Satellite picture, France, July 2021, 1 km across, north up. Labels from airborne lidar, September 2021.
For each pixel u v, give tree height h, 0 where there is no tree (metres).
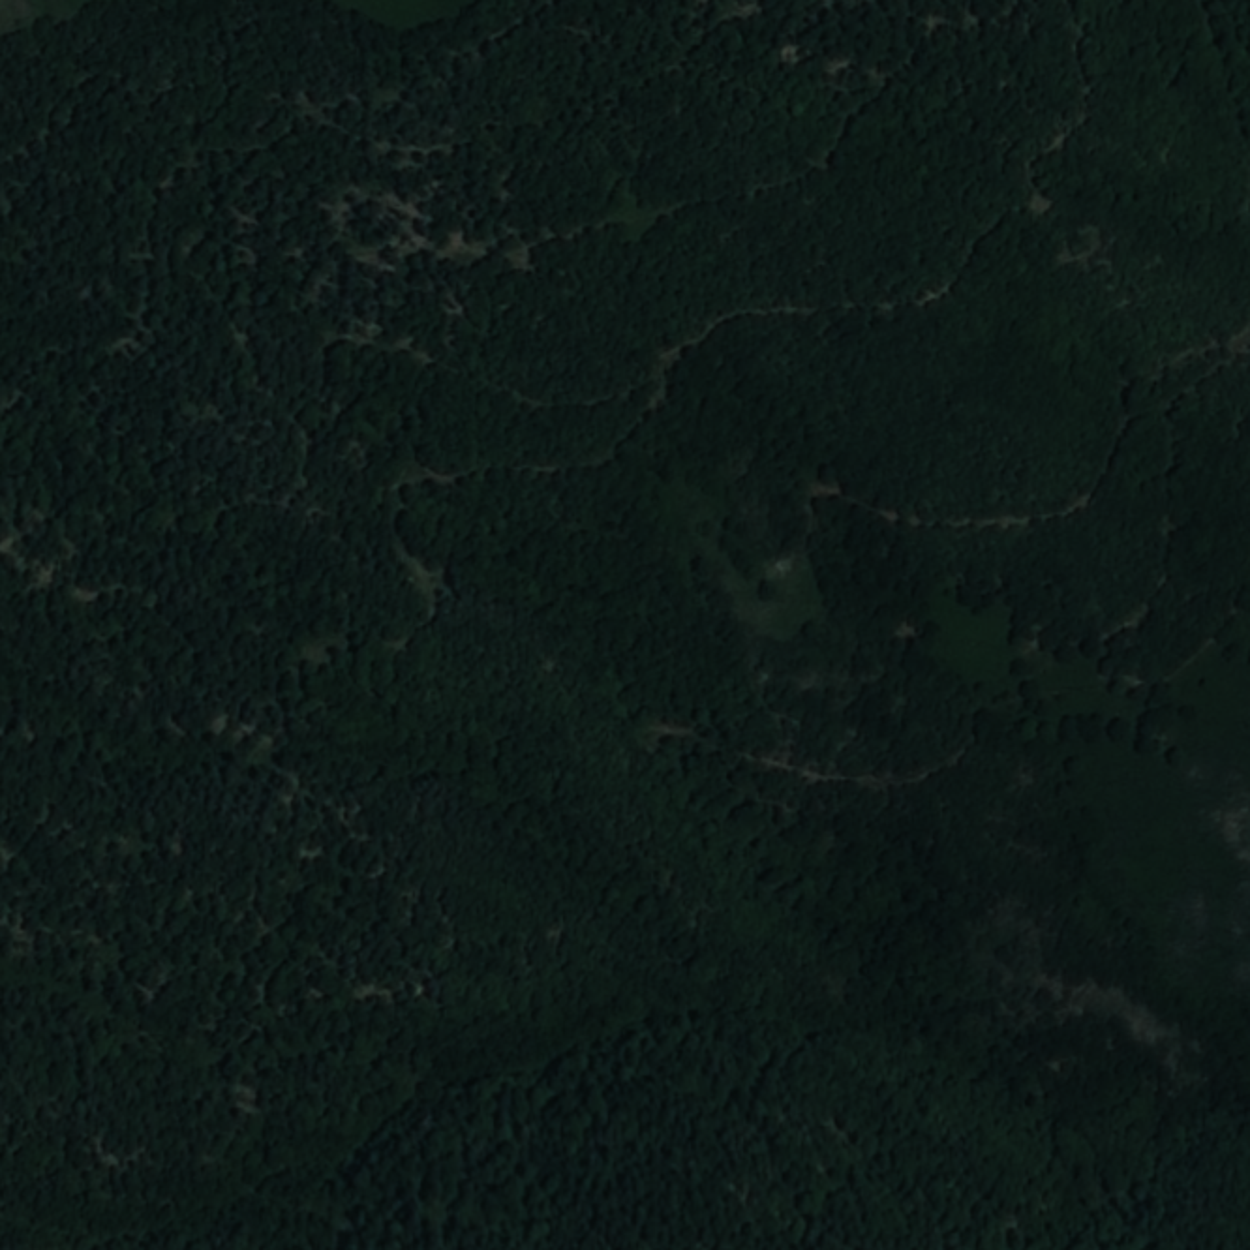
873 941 8
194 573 26
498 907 13
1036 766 10
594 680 18
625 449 23
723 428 16
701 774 25
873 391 21
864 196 18
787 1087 18
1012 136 19
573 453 17
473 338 21
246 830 20
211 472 25
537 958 23
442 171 24
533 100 23
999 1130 19
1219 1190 17
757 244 17
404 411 29
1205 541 24
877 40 21
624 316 16
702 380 18
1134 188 21
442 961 29
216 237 31
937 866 19
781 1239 24
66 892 21
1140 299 13
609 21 24
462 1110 22
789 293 13
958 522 14
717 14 22
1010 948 6
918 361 15
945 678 21
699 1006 21
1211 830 0
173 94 16
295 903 15
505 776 22
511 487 17
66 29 18
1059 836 13
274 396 8
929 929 14
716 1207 22
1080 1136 17
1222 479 28
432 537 29
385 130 19
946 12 28
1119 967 16
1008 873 12
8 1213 24
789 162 14
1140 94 23
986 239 18
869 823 19
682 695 22
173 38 17
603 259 13
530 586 28
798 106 24
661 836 13
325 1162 10
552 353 19
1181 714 10
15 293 14
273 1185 17
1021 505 14
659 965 24
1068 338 24
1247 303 13
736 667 19
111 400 19
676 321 17
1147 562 16
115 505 25
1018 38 28
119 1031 24
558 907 20
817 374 18
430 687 24
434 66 19
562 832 17
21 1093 9
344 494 19
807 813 11
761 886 30
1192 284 14
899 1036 22
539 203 23
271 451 23
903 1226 21
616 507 16
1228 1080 21
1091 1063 8
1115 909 9
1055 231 12
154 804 20
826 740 17
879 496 13
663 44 25
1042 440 14
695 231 12
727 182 14
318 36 25
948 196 18
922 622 11
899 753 21
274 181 19
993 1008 12
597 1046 11
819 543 18
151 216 8
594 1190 19
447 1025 22
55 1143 21
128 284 13
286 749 16
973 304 18
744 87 10
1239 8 19
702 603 18
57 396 20
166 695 29
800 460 16
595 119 20
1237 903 0
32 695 15
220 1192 17
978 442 14
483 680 16
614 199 19
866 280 16
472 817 25
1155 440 18
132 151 19
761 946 17
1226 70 23
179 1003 21
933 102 22
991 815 12
